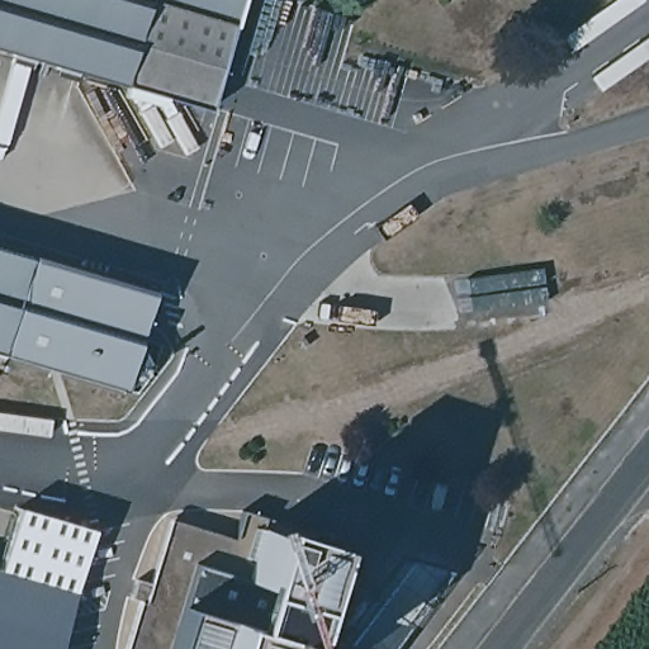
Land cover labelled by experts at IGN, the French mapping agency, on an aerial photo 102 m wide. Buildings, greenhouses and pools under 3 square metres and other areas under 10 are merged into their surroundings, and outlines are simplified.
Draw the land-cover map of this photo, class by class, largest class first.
<instances>
[{"label":"impervious surface","instance_id":"1","mask_svg":"<svg viewBox=\"0 0 649 649\"><path fill-rule=\"evenodd\" d=\"M357 18L337 13L327 0H254L246 28L238 35V46L233 53L221 104H208L180 94L175 101H170L165 96L147 94L139 89H132L127 96L122 91V84L112 79H101L89 71L84 76H68L51 71L46 66H35L30 58L13 56L10 48L0 51V251H10L25 259H41L63 269H74L96 279H106L160 297V309L145 345L147 352L142 357L132 388L137 390V398L134 408L124 421L84 423L74 413L61 373H51L48 378L56 385L58 406L66 413L63 423L33 416L0 413V568L5 565L13 535L18 530V520L25 510L99 530V545L79 598L68 649H132L145 603L137 596H129L132 586L152 581V570L162 568L175 520L226 537H238V517L243 512H256L269 517L271 532L302 535L330 543L342 550H352L360 555V563H365L368 558L385 560L393 550V543L398 540V525L383 517L365 515L355 504L352 492L355 487L365 484V461L350 466L347 461H340V449L335 444H322L314 446L309 469L297 477L205 474L195 469V451L200 446L205 439L215 434L221 423L223 413L254 378V373L264 365L271 350L279 345V340H289L292 332H297V327H304L307 322L327 325L330 335L335 337H347L355 330H489L512 322H520L522 327L548 322L553 297L548 294V281L543 271L487 279L385 276L375 271L368 248L388 241V233L398 228L411 231L413 226H418L416 213L426 210L431 203H439L446 195L499 180H515L517 175L555 162H573L581 155H591L614 145H626L649 137V106L581 129H570V122L581 119L575 104L586 101L596 86L611 89L624 76H629L649 61V0H616L614 5L596 13L581 28L575 41L578 56L568 61L560 68V74L548 79V84L540 89H512L499 81L489 84L479 68H464L416 53H393L373 33L350 30V23H355ZM649 494V373L639 380L636 390L619 408L614 421L596 431L593 441L588 444V451L573 464V474L565 477L563 484L548 497L545 507L537 512L540 525L535 530L525 527L512 550L504 553L502 563H494L492 553L497 537H502V525H507L510 520L507 502L487 515L482 530V550L474 558V565L464 575L451 573V591L446 593L439 608H428V614L418 621L423 634L411 649H520L530 631L550 611V606L563 596L573 575L603 543L608 530L626 515L636 494Z\"/></svg>","mask_w":649,"mask_h":649},{"label":"herbaceous vegetation","instance_id":"2","mask_svg":"<svg viewBox=\"0 0 649 649\"><path fill-rule=\"evenodd\" d=\"M360 5H365L363 15L357 18L355 23H350V30L373 33L393 53H416L464 68H479L489 84L499 81V74L494 71L492 48L497 33L510 18L517 23L550 25L563 38L568 61L578 56L575 41L581 28L596 13L614 5L616 0H357ZM649 106V61L629 76H624L611 89L596 86L586 101L575 104L581 119L570 122V129H581ZM543 205H548L550 213L563 221V226L553 233H543L537 228V215ZM418 226H413L411 231L398 228L388 233V241L368 248L375 271L385 276L487 279L543 271L548 281V294L553 297L565 292L616 289L621 284L649 276V137L626 145H614L591 155H581L573 162H555L517 175L515 180H499L446 195L439 203H431L426 210L416 213ZM522 327L520 322H512L489 330H355L347 337H335L330 335L327 325L307 322L304 327H297V332H292L289 340H279V345L271 350L264 365L254 373V378L223 413L221 423L226 426L246 416H256L261 411L281 406L289 398H337L365 385L383 383V378L390 373L395 375L413 365H426L441 357L459 355L464 352V347L479 350L487 365L472 373L469 378L454 383L446 390V395L434 401L431 406L426 401H411L403 406L398 416H390L383 406H373L357 413L355 421L360 428H365L370 439L373 456L365 461V484L355 487L352 492L355 504L365 515L383 517L398 525V540L393 543V550L385 560V573L390 578L406 570L408 565H431L451 573L464 575L474 565V558L482 550V530L487 515L472 494L479 474L487 472L492 477L507 479L512 497L507 502L510 520L507 525H502V537H497L492 553L494 563H502L504 553L512 550L525 527L535 530L540 525L537 512L545 507L548 497L563 484L565 477L573 474V464L588 451V444L593 441L596 431L614 421L619 408L636 390L639 380L649 373V299L586 327V332L560 345H543L530 352L512 355L502 365L497 360L494 342L499 337L520 332ZM51 373L48 365L18 360L13 352H0V413L33 416L63 423L66 413L58 406L56 385L48 378ZM74 413L84 423L124 421L134 408L137 398V390L132 388L91 380L71 370L61 373ZM266 456L261 461L243 459L241 449L200 446L195 451V469L205 474L297 477L309 469L314 446L322 444V439L312 431H299L292 439H264ZM649 578V494H636L626 515L608 530L603 543L573 575L563 596L550 606V611L530 631L520 649H596L598 641L606 639L608 629L621 619L631 596Z\"/></svg>","mask_w":649,"mask_h":649},{"label":"building","instance_id":"3","mask_svg":"<svg viewBox=\"0 0 649 649\"><path fill-rule=\"evenodd\" d=\"M254 0H0V51L10 48L13 56L30 58L35 66H46L51 71L68 76H84L89 71L101 79H112L122 84V91L127 96L132 89H139L147 94L165 96L170 101H175L180 94L208 104H221L233 53L238 46V35L246 28ZM160 309V297L106 279H96L74 269H63L41 259H25L10 251H0V352H13L18 360L48 365L51 373H61L71 370L91 380L132 388L142 357L147 352L145 345ZM99 545V530L25 510L18 520V530L13 535L5 565L0 568V649H68L79 598ZM451 573L431 565H408L406 570L390 578L385 573V560L368 558L365 563H360V555L352 550H342L330 543L302 535L271 532L269 517L256 512H243L238 517V537H226L175 520L162 568L152 570V581L132 586L129 596H137L145 603L132 649H411L423 634L418 621L428 614V608H439L446 593L451 591Z\"/></svg>","mask_w":649,"mask_h":649},{"label":"pervious surface","instance_id":"4","mask_svg":"<svg viewBox=\"0 0 649 649\"><path fill-rule=\"evenodd\" d=\"M649 299V276L621 284L616 289L565 292L553 297L548 322L522 327L520 332L499 337L494 342L497 360L502 365L512 355L530 352L543 345H560L586 332V327ZM487 365L479 350L464 347V352L459 355L441 357L426 365H413L395 375L390 373L383 378V383L365 385L337 398H289L281 406L261 411L256 416H246L226 426L221 423L215 434L205 439L200 446L241 449L254 436L264 439H292L299 431H312L322 439V444H335L340 449L345 444V426L355 421L357 413L373 406H383L390 416H398L403 406L411 401H426L431 406L434 401L446 395V390L454 383L469 378L472 373Z\"/></svg>","mask_w":649,"mask_h":649},{"label":"deciduous trees","instance_id":"5","mask_svg":"<svg viewBox=\"0 0 649 649\"><path fill-rule=\"evenodd\" d=\"M337 13L357 18L363 15L365 5H360L357 0H327ZM494 71L499 74V81L512 89H540L548 84V79L560 74V68L568 61L563 38L550 25L517 23L510 18L497 33L492 48ZM563 226V221L550 213L548 205H543L537 215V228L543 233H553ZM345 444L340 449V461H347L350 466L365 461L373 456L370 439L365 428H360L355 421L345 426ZM243 459L261 461L266 456L264 439L254 436L241 449ZM472 494L487 515L507 502L512 497L507 479L492 477L487 472L479 474ZM596 649H649V578L631 596L621 619L608 629L606 639L598 641Z\"/></svg>","mask_w":649,"mask_h":649}]
</instances>
